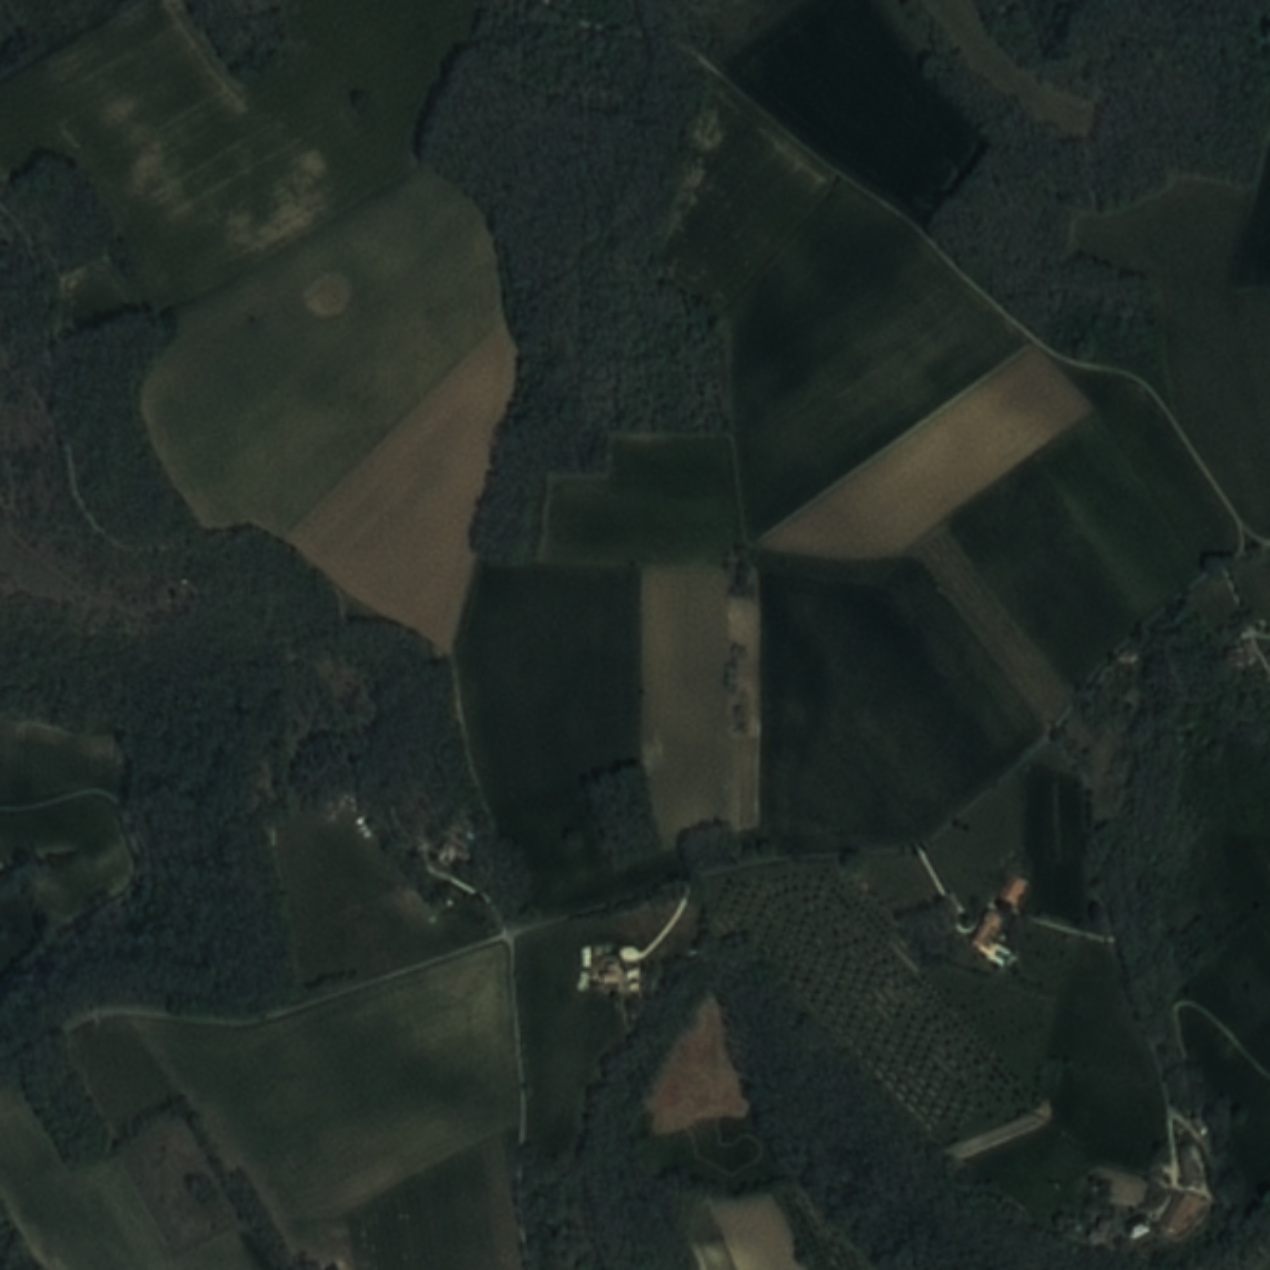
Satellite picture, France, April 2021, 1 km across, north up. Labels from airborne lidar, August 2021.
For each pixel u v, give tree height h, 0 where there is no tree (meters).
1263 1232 17
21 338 15
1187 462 0
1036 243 14
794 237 0
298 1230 0
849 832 0
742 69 0
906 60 0
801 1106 23
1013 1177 0
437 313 0
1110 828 9
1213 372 0
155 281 0
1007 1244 13
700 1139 0
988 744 0
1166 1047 11
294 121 0
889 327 0
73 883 0
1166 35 14
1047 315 10
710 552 0
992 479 0
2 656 10
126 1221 0
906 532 0
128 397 15
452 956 0
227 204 0
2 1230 6
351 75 0
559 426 16
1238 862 0
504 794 0
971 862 0
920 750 0
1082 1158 0
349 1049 0
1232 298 0
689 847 17
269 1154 0
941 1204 12
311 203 0
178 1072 0
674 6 18
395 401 0
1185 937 7
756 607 0
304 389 0
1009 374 0
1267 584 0
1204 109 15
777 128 0
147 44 0
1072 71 14
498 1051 0
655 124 16
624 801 17
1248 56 16
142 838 13
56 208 17
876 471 0
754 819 0
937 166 0
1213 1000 0
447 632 0
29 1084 17
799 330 0
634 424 9
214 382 0
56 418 8
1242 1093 0
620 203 20
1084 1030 0
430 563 0
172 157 0
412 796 16
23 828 0
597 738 0
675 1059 22
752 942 10
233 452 0
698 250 0
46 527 12
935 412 0
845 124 0
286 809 7
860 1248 14
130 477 17
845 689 0
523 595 0
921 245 0
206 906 18
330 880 0
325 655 12
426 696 17
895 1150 12
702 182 0
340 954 0
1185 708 22
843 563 0
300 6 0
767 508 0
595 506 0
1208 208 0
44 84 0
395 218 0
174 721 25
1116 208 11
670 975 13
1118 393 0
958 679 0
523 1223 10
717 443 0
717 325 14
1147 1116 0
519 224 19
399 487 0
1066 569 0
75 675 17
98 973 17
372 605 0
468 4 0
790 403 0
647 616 0
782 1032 17
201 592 11
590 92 14
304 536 0
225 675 24
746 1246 0
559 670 0
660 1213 24
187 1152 0
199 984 21
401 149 0
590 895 0
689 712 0
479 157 20
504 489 18
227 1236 0
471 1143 0
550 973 0
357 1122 0
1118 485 0
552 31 11
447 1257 0
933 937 16
